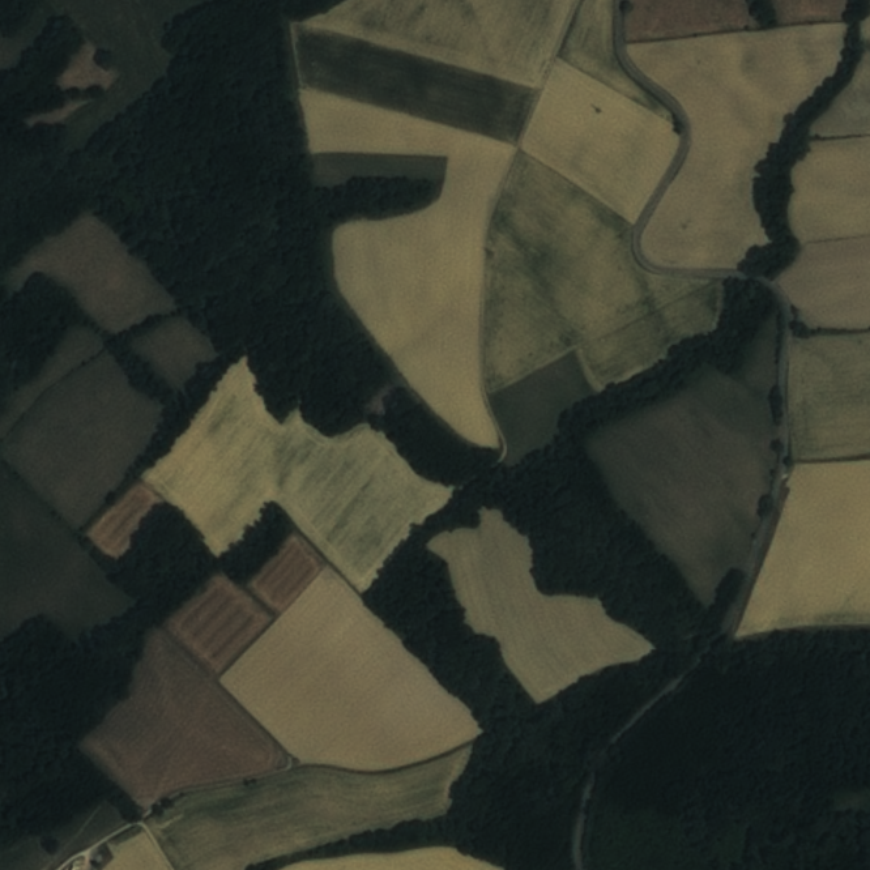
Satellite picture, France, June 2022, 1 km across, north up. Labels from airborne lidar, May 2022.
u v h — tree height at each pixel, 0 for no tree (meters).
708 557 0
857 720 13
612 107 0
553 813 9
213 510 0
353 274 0
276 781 0
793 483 0
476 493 17
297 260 19
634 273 0
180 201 23
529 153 0
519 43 0
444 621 28
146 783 0
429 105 0
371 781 0
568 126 0
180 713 0
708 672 15
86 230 0
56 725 22
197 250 25
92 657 24
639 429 0
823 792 22
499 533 0
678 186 0
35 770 27
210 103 20
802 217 0
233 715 0
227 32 23
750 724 15
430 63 0
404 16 0
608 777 9
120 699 19
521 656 0
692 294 0
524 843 13
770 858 25
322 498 0
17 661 12
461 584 0
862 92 0
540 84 0
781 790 19
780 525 0
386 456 0
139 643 21
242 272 23
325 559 0
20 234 24
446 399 0
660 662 20
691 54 0
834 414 0
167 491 0
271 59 14
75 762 23
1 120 33
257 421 0
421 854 0
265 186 27
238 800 0
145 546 26
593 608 0
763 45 0
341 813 0
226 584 0
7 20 20
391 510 0
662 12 0
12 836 26
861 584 0
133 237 20
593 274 0
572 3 0
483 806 19
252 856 0
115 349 18
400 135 0
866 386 0
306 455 0
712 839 26
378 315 0
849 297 0
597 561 15
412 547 20
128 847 0
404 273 0
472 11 0
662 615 20
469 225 0
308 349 19
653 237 0
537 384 0
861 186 0
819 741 16
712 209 0
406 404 22
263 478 0
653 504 0
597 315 0
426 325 0
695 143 0
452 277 0
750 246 0
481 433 0
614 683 11
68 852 0
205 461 0
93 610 0
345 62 0
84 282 0
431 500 0
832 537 0
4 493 0
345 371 26
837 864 10
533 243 0
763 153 0
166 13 0
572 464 24
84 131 0
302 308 18
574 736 20
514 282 0
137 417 0
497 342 0
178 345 0
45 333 22
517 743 25
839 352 0
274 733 0
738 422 0
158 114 23
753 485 0
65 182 26
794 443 0
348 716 0
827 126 0
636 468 0
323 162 0
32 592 0
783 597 0
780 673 20
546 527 22
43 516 0
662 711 9
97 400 0
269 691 0
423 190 8
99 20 0
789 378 0
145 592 20
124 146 15
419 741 0
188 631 0
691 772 8
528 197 0
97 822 0
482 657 24
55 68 21
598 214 0
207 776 0
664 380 18
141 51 0
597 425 16
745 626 0
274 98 19
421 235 0
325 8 20
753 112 0
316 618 0
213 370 22
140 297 0
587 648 0
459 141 0
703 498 0
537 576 15
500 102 0
